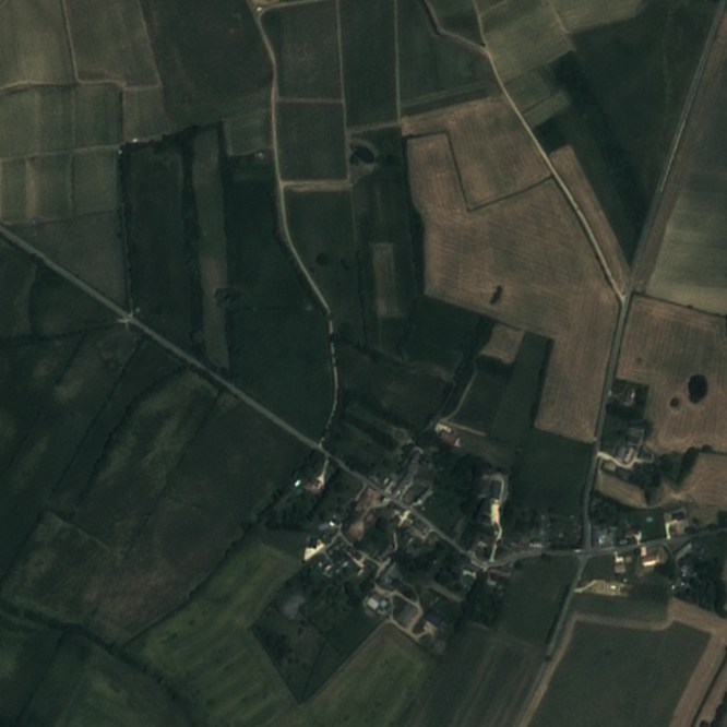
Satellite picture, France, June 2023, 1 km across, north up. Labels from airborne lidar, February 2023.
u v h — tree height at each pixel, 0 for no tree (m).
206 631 0
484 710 0
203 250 0
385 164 12
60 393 0
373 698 0
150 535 0
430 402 0
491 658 0
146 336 8
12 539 0
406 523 0
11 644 0
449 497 0
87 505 0
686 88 0
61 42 0
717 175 0
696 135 0
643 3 0
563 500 0
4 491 0
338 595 8
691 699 0
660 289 0
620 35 0
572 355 0
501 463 0
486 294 0
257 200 0
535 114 0
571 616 0
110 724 0
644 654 0
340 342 9
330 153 0
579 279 0
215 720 0
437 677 0
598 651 0
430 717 0
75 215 0
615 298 0
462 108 0
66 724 0
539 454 0
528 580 0
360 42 0
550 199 0
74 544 0
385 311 0
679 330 0
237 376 7
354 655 0
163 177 0
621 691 0
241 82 0
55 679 0
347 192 0
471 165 0
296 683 0
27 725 0
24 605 0
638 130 0
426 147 0
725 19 0
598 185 0
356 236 0
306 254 0
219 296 11
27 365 0
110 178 0
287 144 0
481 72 0
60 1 0
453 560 11
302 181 0
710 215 0
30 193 0
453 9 0
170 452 0
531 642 0
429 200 0
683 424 0
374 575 7
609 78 0
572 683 0
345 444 0
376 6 0
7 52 0
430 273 0
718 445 0
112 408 0
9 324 0
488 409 0
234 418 0
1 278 0
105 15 0
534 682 0
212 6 0
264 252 0
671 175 0
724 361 0
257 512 0
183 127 0
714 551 0
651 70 0
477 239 0
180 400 0
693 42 0
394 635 0
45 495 0
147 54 0
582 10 0
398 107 0
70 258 0
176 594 0
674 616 0
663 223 0
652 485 10
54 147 0
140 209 0
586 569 0
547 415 0
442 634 0
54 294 0
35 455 0
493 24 0
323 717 0
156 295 0
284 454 0
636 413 7
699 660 0
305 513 9
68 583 0
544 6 0
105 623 0
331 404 0
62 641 7
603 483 0
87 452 0
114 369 0
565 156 0
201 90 0
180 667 0
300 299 0
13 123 0
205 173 0
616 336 0
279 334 0
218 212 0
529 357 0
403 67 0
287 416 0
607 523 8
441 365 0
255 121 0
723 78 0
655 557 6
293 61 0
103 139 0
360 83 0
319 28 0
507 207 0
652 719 0
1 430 0
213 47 0
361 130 0
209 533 0
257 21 0
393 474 0
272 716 0
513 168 0
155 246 0
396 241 0
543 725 0
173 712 0
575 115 0
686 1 0
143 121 0
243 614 0
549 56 0
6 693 0
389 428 0
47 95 0
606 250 0
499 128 0
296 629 0
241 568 0
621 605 0
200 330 8
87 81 0
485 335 7
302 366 0
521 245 0
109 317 0
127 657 8
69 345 0
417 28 0
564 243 0
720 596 11
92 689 0
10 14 0
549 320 0
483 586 7
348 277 0
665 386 0
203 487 0
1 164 0
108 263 0
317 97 0
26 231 0
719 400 0
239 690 0
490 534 6
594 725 0
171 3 0
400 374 0
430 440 7
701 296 0
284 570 0
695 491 0
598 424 0
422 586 0
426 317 0
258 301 0
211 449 0
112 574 0
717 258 0
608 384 0
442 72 0
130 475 0
